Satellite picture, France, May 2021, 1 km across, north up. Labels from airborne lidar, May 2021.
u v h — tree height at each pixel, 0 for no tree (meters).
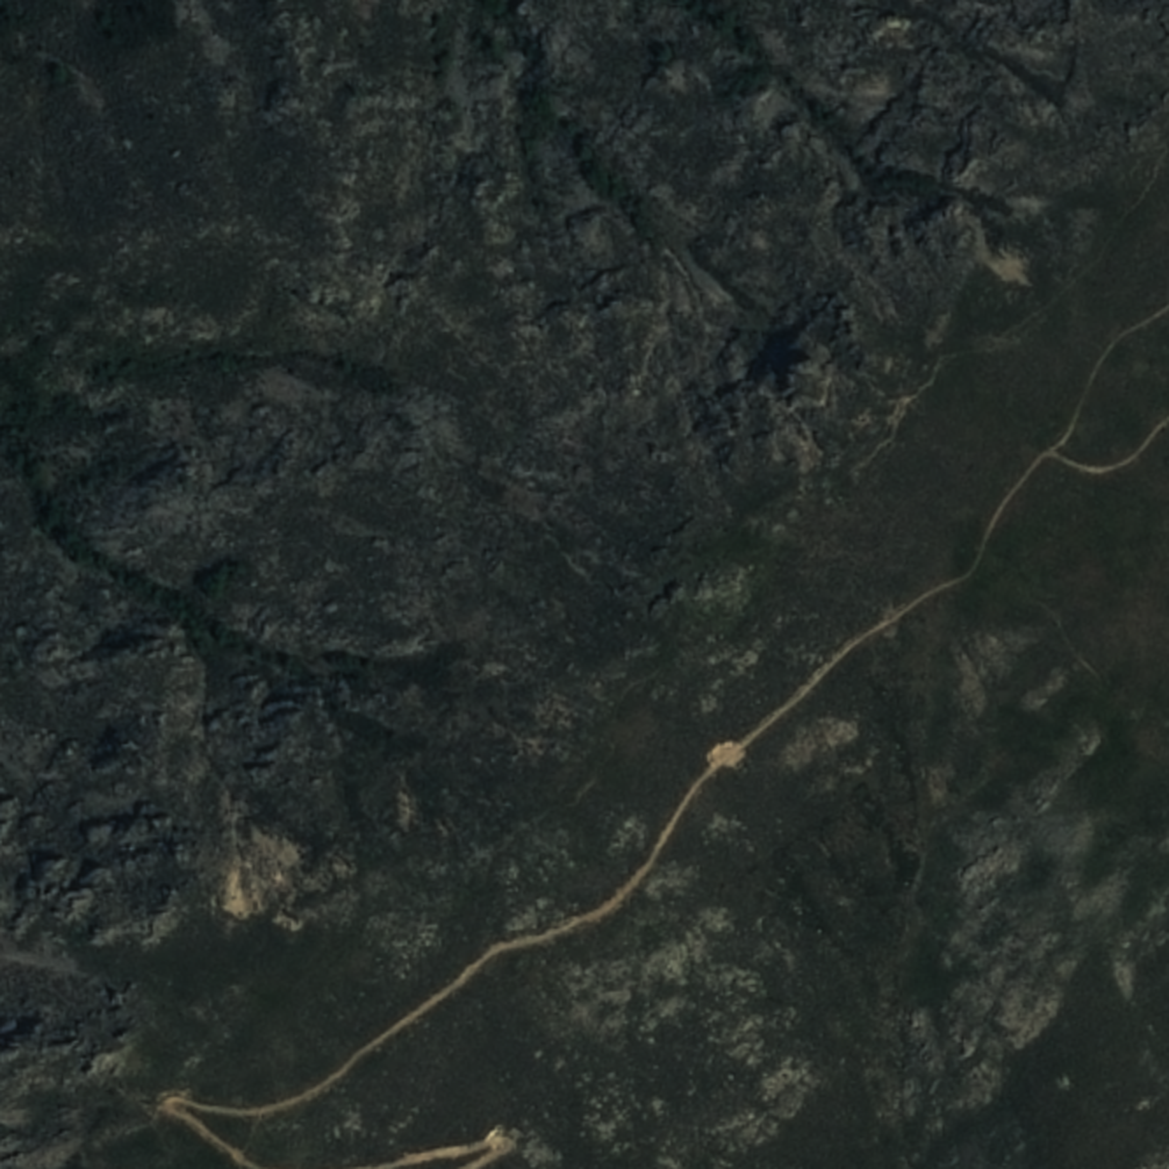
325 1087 0
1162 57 0
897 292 0
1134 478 0
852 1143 0
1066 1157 0
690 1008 0
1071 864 0
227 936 0
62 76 9
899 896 0
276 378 0
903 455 0
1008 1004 0
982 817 0
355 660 8
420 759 0
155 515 0
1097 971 0
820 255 0
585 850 0
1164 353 0
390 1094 0
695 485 0
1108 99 0
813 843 0
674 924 0
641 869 0
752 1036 0
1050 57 0
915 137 0
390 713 0
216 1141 0
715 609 0
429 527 0
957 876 0
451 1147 0
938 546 0
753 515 0
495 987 0
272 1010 0
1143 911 0
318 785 0
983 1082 0
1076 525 0
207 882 0
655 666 0
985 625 0
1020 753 0
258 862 0
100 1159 0
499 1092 0
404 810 0
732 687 0
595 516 0
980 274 0
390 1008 0
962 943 0
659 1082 0
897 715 0
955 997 0
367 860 0
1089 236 0
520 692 0
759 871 0
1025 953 0
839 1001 0
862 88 0
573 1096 0
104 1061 0
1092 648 0
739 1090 0
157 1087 0
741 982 0
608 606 0
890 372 0
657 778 0
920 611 0
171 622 9
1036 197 0
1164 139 0
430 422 0
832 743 0
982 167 0
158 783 0
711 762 0
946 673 0
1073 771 0
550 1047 0
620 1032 0
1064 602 0
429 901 0
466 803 0
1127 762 0
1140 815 0
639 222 10
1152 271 0
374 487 0
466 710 0
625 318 0
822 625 0
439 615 0
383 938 0
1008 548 0
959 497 0
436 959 0
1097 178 0
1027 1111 0
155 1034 0
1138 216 0
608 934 0
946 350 0
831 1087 0
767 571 0
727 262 0
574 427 0
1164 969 0
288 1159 0
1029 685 0
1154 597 0
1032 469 0
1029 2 0
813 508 0
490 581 0
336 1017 0
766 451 0
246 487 0
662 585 0
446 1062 0
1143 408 0
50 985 0
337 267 0
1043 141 0
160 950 0
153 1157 0
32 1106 0
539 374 0
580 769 0
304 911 0
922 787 0
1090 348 0
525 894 0
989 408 0
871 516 0
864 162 13
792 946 0
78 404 6
